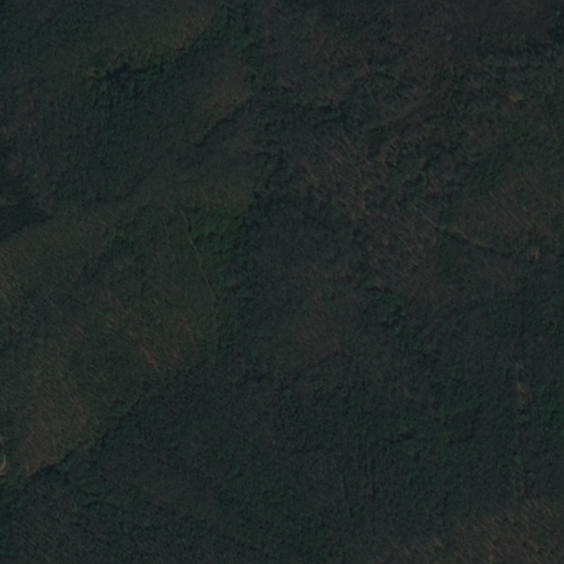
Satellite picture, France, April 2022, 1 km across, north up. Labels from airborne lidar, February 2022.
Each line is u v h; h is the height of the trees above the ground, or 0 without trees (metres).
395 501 16
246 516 13
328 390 24
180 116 17
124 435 22
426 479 18
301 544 16
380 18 7
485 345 20
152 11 22
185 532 22
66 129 19
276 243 22
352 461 17
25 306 24
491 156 21
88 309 19
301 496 19
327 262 21
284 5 26
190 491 20
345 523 22
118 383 24
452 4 11
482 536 20
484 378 19
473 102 16
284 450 11
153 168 15
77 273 21
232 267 9
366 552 17
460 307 16
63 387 24
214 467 20
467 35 9
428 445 21
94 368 25
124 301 19
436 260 16
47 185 15
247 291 19
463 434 11
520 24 11
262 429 19
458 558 26
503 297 20
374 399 25
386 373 23
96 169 20
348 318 17
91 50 19
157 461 19
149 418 19
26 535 23
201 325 20
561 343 17
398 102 26
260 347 20
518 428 19
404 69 7
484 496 21
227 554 21
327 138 26
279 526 19
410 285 20
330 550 20
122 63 21
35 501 23
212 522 18
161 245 22
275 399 22
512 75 25
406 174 26
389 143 15
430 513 18
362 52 8
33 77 24
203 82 18
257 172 19
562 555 25
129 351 20
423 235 24
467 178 24
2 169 10
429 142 13
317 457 22
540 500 23
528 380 17
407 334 21
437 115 8
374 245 26
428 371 23
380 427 22
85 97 19
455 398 22
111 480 22
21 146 21
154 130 20
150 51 20
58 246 22
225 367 20
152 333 19
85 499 28
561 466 24
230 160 23
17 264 20
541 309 20
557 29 9
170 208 23
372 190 25
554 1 10
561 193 23
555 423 20
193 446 21
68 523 22
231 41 17
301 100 22
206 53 19
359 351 20
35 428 16
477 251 21
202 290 21
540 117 17
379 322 21
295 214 21
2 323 25
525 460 21
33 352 22
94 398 24
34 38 20
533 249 23
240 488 20
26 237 20
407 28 9
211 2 12
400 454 21
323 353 14
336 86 25
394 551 21
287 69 21
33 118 22
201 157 18
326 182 26
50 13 25
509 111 28
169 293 19
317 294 19
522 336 8
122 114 23
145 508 25
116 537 22
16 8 24
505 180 21
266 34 23
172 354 21
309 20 22
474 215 19
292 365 18
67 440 24
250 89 16
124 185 18
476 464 19
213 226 21
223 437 20
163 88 19
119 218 23
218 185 23
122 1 24
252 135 17
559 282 27
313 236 24
